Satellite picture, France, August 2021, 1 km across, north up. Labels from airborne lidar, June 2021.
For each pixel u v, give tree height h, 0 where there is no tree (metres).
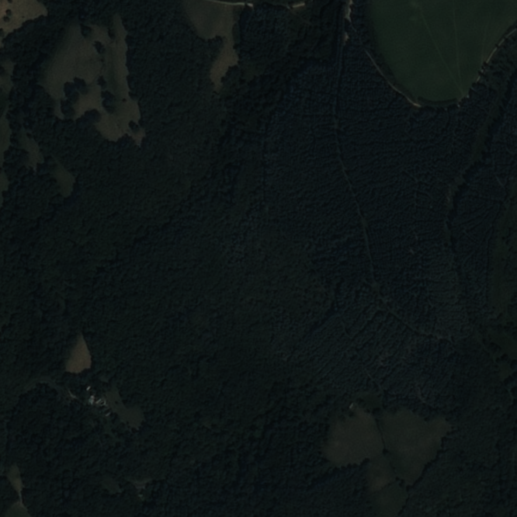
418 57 0
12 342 24
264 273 13
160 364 20
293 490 18
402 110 19
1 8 0
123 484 13
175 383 20
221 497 20
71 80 0
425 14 0
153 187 19
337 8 11
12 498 14
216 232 16
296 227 23
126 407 12
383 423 0
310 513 15
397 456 0
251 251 10
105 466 23
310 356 17
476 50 0
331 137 18
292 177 14
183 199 20
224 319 16
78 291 20
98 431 17
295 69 8
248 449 17
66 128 18
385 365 16
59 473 24
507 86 0
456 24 0
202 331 10
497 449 12
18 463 16
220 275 14
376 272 16
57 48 13
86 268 25
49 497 24
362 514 18
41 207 23
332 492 19
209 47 14
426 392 22
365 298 19
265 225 12
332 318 23
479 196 14
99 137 18
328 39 11
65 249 20
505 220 0
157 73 19
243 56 27
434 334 23
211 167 15
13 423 34
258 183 14
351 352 23
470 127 9
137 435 16
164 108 20
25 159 17
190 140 14
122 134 0
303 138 11
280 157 18
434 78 0
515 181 10
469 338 16
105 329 25
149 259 23
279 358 11
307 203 8
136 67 24
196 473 14
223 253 13
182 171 15
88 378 19
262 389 20
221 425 10
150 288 27
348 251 25
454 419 14
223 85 15
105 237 24
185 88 20
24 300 20
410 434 0
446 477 16
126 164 25
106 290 24
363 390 20
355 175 16
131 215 17
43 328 29
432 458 0
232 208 20
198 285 19
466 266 24
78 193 19
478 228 16
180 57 19
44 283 21
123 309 27
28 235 25
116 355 22
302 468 16
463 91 0
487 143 0
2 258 23
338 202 18
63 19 30
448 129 17
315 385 18
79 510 25
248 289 15
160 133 16
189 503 27
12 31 0
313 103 14
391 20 0
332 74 16
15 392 23
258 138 10
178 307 15
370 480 0
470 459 19
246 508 24
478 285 17
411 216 15
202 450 22
